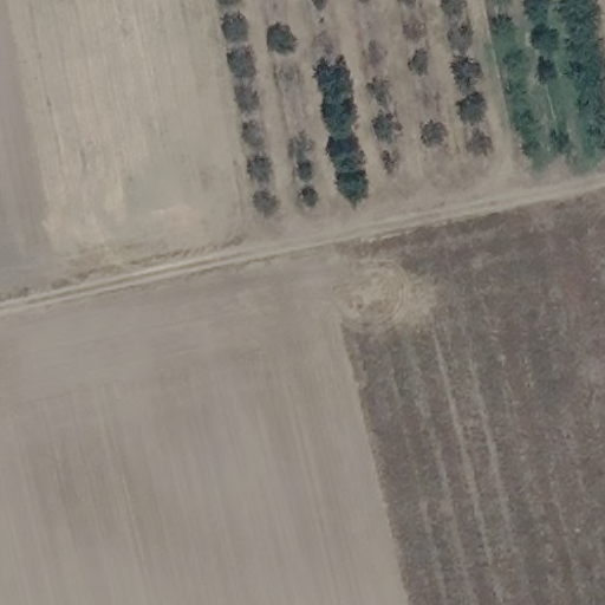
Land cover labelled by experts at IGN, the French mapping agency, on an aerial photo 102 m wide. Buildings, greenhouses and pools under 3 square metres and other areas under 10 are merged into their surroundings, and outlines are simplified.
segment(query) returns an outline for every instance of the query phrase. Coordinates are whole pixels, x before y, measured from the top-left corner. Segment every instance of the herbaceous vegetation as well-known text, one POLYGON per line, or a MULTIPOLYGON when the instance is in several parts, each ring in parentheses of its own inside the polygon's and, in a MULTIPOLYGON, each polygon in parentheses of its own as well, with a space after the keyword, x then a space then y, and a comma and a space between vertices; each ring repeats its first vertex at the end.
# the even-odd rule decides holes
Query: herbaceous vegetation
POLYGON ((515 161, 515 170, 506 177, 506 182, 510 189, 560 184, 572 173, 605 173, 605 151, 598 147, 598 137, 584 135, 577 128, 577 90, 572 78, 567 78, 570 31, 562 17, 555 12, 555 7, 548 2, 546 19, 548 28, 558 31, 558 43, 555 52, 539 50, 539 57, 553 61, 555 78, 544 76, 539 80, 536 71, 527 73, 527 99, 534 118, 539 121, 539 149, 525 156, 522 137, 513 130, 506 109, 501 64, 489 28, 492 17, 508 14, 515 26, 518 45, 522 50, 529 47, 532 21, 525 12, 522 0, 468 0, 463 7, 470 12, 473 38, 468 47, 468 59, 477 61, 482 69, 480 78, 475 80, 475 90, 484 99, 484 116, 480 121, 461 121, 458 99, 463 97, 451 71, 454 59, 447 43, 442 0, 418 0, 425 7, 428 17, 425 35, 409 40, 402 33, 402 24, 409 17, 409 5, 404 0, 215 0, 222 17, 241 14, 248 24, 248 35, 243 40, 227 40, 229 50, 251 47, 255 61, 255 76, 234 78, 234 87, 253 87, 260 99, 255 111, 239 111, 241 125, 255 121, 260 128, 265 128, 262 139, 267 147, 267 158, 272 163, 272 175, 267 180, 251 180, 255 191, 269 191, 277 199, 274 213, 281 220, 295 217, 300 213, 307 220, 336 217, 345 222, 354 215, 357 201, 347 201, 340 194, 336 182, 336 168, 326 149, 328 128, 321 116, 321 90, 314 76, 319 61, 328 61, 333 66, 340 57, 345 59, 352 80, 352 104, 357 113, 352 121, 352 132, 364 154, 366 196, 371 203, 383 203, 392 199, 409 199, 428 187, 444 196, 451 191, 463 191, 473 187, 477 180, 487 177, 487 173, 494 165, 494 158, 501 163, 510 154, 515 161), (267 47, 267 28, 274 24, 288 26, 288 31, 293 33, 295 47, 291 52, 277 52, 267 47), (411 69, 409 69, 409 59, 414 57, 414 52, 416 52, 416 50, 425 50, 425 52, 428 52, 428 69, 425 69, 425 73, 416 73, 416 71, 411 71, 411 69), (385 99, 385 102, 376 102, 376 99, 373 99, 373 97, 369 95, 369 90, 366 90, 366 83, 371 83, 371 80, 385 80, 385 85, 388 85, 388 99, 385 99), (402 130, 392 130, 390 139, 378 139, 373 132, 373 118, 380 113, 392 113, 392 121, 402 123, 402 130), (440 123, 444 128, 444 137, 437 144, 423 144, 421 139, 421 130, 428 123, 440 123), (475 130, 482 130, 487 137, 492 137, 492 149, 487 154, 473 154, 466 149, 466 142, 473 137, 475 130), (298 175, 298 168, 293 168, 288 158, 288 139, 298 137, 300 132, 305 132, 305 137, 314 142, 314 149, 307 154, 307 161, 312 163, 312 177, 303 180, 298 175))

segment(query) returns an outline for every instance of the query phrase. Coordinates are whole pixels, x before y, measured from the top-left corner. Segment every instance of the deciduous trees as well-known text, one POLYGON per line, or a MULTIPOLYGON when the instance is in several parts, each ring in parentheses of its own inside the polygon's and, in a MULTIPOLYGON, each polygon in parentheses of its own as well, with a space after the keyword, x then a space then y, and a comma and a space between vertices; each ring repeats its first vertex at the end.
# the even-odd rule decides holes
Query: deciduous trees
POLYGON ((255 191, 253 206, 262 215, 274 213, 277 199, 269 191, 255 191))
POLYGON ((402 130, 402 123, 392 121, 392 113, 380 113, 373 118, 373 132, 378 139, 390 139, 392 130, 402 130))
POLYGON ((409 69, 411 69, 411 71, 416 71, 416 73, 425 73, 425 69, 428 69, 428 52, 425 52, 425 50, 416 50, 416 52, 414 52, 414 57, 409 59, 409 69))
POLYGON ((267 28, 267 47, 277 52, 291 52, 295 47, 293 33, 288 31, 288 26, 274 24, 267 28))
POLYGON ((475 130, 473 137, 466 142, 466 149, 473 154, 487 154, 492 149, 492 137, 487 137, 482 130, 475 130))
POLYGON ((262 139, 265 128, 260 128, 255 121, 241 125, 241 139, 248 147, 246 168, 251 180, 267 180, 272 175, 272 163, 267 158, 267 147, 262 139))
POLYGON ((288 158, 293 168, 298 168, 298 175, 303 180, 312 177, 312 163, 307 161, 307 154, 314 149, 314 142, 305 137, 305 132, 300 132, 298 137, 288 139, 288 158))
POLYGON ((480 121, 484 116, 484 99, 475 90, 475 80, 480 78, 482 69, 477 61, 468 59, 468 47, 473 38, 470 12, 463 7, 468 0, 442 0, 447 43, 454 59, 451 71, 463 97, 458 99, 461 121, 480 121))
POLYGON ((421 130, 421 139, 423 144, 437 144, 444 137, 444 128, 440 123, 428 123, 421 130))
POLYGON ((229 50, 227 64, 234 78, 255 76, 255 61, 251 47, 229 50))
POLYGON ((357 201, 366 196, 364 154, 352 132, 352 121, 357 113, 352 104, 352 80, 345 59, 340 57, 333 66, 328 61, 319 61, 314 76, 321 90, 321 116, 328 128, 326 149, 336 168, 336 182, 340 194, 347 201, 357 201))
POLYGON ((572 78, 577 90, 577 128, 584 135, 598 137, 598 147, 605 151, 605 0, 522 0, 525 12, 532 21, 529 47, 522 50, 518 45, 515 26, 508 14, 492 17, 489 28, 501 64, 506 109, 513 130, 522 137, 525 156, 539 149, 539 121, 534 118, 527 99, 527 73, 536 71, 539 80, 544 76, 555 78, 553 61, 539 57, 539 50, 555 52, 558 43, 558 31, 548 28, 546 19, 548 2, 555 7, 555 12, 562 17, 570 31, 567 78, 572 78))
POLYGON ((239 111, 255 111, 260 99, 253 87, 234 87, 239 111))
POLYGON ((243 40, 248 35, 248 24, 241 14, 222 17, 222 33, 227 40, 243 40))
POLYGON ((409 40, 425 35, 428 17, 425 7, 418 0, 404 0, 409 5, 409 17, 402 24, 402 33, 409 40))
POLYGON ((371 80, 371 83, 366 83, 366 90, 369 90, 369 95, 373 97, 373 99, 376 99, 376 102, 385 102, 385 99, 388 99, 388 85, 385 85, 385 80, 371 80))

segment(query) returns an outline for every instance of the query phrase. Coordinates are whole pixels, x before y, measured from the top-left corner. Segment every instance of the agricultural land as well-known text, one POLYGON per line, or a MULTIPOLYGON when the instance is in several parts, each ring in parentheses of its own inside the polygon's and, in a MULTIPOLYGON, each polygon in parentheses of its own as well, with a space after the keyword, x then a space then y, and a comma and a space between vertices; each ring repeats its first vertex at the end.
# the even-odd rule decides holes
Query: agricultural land
POLYGON ((0 317, 0 605, 605 605, 605 187, 565 201, 539 201, 513 210, 451 220, 444 225, 425 225, 411 229, 409 234, 390 236, 383 241, 340 241, 303 248, 295 253, 251 258, 236 265, 220 265, 182 277, 97 293, 92 298, 47 305, 43 314, 21 312, 0 317))
POLYGON ((227 40, 222 33, 222 17, 215 0, 0 0, 0 300, 21 298, 40 288, 71 286, 69 279, 45 277, 54 267, 54 251, 69 251, 76 260, 80 246, 95 246, 104 241, 165 241, 170 251, 213 243, 213 251, 222 251, 241 246, 243 241, 279 239, 284 232, 281 220, 274 213, 262 215, 253 206, 255 191, 251 180, 246 168, 248 147, 241 139, 241 125, 239 111, 234 87, 234 78, 227 64, 229 50, 227 40))

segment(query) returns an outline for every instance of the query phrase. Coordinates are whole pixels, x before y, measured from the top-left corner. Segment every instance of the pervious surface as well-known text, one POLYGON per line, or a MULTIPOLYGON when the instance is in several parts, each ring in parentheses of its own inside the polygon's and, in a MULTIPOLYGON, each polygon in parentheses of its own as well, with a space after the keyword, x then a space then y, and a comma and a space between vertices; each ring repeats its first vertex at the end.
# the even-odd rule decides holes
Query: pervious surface
POLYGON ((371 203, 366 196, 357 201, 354 215, 345 222, 336 217, 307 220, 300 213, 295 217, 281 220, 284 232, 279 239, 243 241, 241 246, 222 251, 213 251, 213 243, 170 251, 165 241, 104 241, 95 246, 80 246, 76 260, 69 251, 54 251, 54 267, 45 277, 69 279, 71 286, 40 288, 21 298, 0 300, 0 317, 21 312, 43 314, 47 305, 92 298, 97 293, 182 277, 220 265, 236 265, 251 258, 295 253, 303 248, 340 241, 383 241, 390 236, 409 234, 411 229, 425 225, 444 225, 451 220, 513 210, 539 201, 565 201, 605 187, 605 173, 572 173, 560 184, 510 189, 506 182, 506 177, 515 170, 515 161, 510 154, 501 163, 494 158, 494 165, 487 173, 487 177, 477 180, 473 187, 463 191, 451 191, 444 196, 428 187, 409 199, 392 199, 383 203, 371 203))

